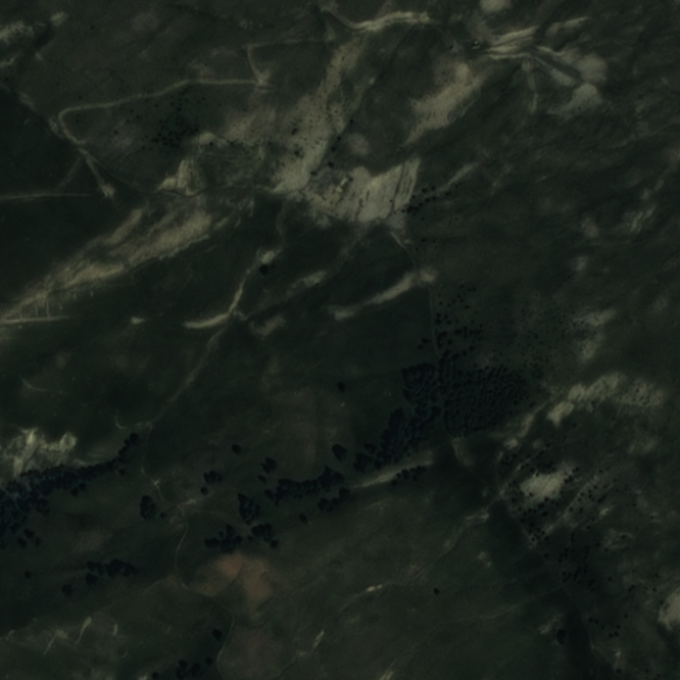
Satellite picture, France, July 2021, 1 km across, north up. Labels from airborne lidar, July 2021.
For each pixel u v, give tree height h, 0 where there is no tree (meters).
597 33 0
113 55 0
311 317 0
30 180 0
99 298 0
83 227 0
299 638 0
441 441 0
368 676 0
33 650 0
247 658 0
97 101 0
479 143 0
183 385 0
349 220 0
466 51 0
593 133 0
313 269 0
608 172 0
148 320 0
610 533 0
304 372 0
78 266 0
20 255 0
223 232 0
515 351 0
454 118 0
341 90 0
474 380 9
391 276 0
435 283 0
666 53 0
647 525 0
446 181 0
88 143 0
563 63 0
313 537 0
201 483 0
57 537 0
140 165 0
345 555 0
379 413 0
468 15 0
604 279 0
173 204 0
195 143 0
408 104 0
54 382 0
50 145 0
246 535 0
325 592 0
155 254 0
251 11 0
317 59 0
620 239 0
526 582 0
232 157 0
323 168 0
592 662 0
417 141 0
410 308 0
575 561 0
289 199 0
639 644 0
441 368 10
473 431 9
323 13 0
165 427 0
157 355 0
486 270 0
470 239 0
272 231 0
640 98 0
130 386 0
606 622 0
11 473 0
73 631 0
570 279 0
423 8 0
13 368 0
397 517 0
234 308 0
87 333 0
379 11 0
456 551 0
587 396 0
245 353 0
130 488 0
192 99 0
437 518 0
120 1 0
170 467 0
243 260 0
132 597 0
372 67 0
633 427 0
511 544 0
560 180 0
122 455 15
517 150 0
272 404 0
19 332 0
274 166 0
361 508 0
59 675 0
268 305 0
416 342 0
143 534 0
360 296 0
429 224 0
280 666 0
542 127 0
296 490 20
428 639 0
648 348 0
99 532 0
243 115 0
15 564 0
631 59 0
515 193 0
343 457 25
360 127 0
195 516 0
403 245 0
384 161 0
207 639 0
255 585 0
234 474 0
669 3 0
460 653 0
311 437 0
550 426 0
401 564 0
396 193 0
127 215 0
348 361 0
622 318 0
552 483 0
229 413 0
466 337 6
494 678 0
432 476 0
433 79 0
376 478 0
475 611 0
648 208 0
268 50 0
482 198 0
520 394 6
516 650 0
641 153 0
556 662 0
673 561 0
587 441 0
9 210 0
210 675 0
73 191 0
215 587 0
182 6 0
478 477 0
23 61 0
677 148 0
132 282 0
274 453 0
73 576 0
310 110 0
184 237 0
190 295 0
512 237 0
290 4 0
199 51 0
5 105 0
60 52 0
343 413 0
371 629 0
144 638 0
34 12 0
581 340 0
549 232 0
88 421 0
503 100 0
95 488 0
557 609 0
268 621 0
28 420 0
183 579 0
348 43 0
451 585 0
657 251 0
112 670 0
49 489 21
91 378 0
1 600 0
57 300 0
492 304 0
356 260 0
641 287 0
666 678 0
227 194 0
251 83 0
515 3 0
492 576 0
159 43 0
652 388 0
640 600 0
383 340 0
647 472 0
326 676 0
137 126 0
